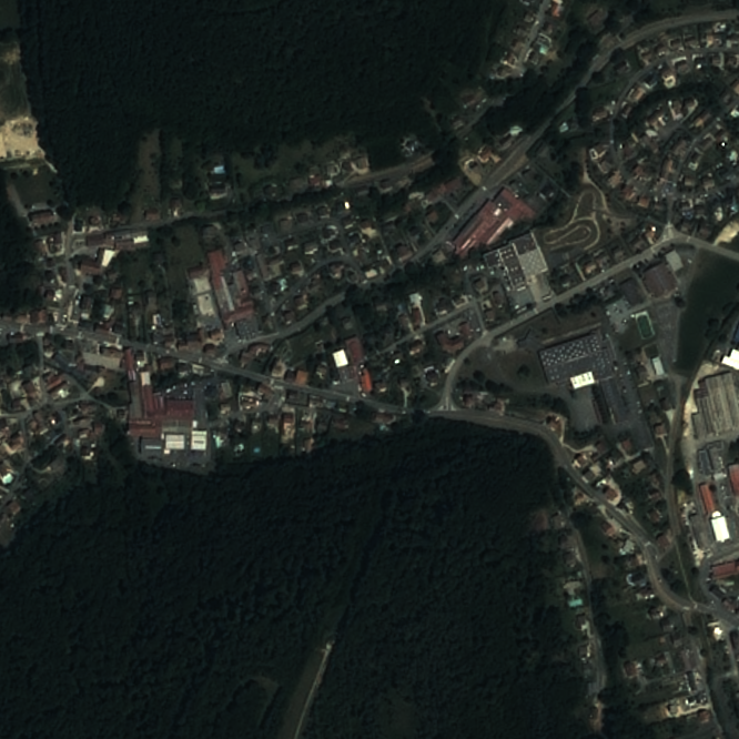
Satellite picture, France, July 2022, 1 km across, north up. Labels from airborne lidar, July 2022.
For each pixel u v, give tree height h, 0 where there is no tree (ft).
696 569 29
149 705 29
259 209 57
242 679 51
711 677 33
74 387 0
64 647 67
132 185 29
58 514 42
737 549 0
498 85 64
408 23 69
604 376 0
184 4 50
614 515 0
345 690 46
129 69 47
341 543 85
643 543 0
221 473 27
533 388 0
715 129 0
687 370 0
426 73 75
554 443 0
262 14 53
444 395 0
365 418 47
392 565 66
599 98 19
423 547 73
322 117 60
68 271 0
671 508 0
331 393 0
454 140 51
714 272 0
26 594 77
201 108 62
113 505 82
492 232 0
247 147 69
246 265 22
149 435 0
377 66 55
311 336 0
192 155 22
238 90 62
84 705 75
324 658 0
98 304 36
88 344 0
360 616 56
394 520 69
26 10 34
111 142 54
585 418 0
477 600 34
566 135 0
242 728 58
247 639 70
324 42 54
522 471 78
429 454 44
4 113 0
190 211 0
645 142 0
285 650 43
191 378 22
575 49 34
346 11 52
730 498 0
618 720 112
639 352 20
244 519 38
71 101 72
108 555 79
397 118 70
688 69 0
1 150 0
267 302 0
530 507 86
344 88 66
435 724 69
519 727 24
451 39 67
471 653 32
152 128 61
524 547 72
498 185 0
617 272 0
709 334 26
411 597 63
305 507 45
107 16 51
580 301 28
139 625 20
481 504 80
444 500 20
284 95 56
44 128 67
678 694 0
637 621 0
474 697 32
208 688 73
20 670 68
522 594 77
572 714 70
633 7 58
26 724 94
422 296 0
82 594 54
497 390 62
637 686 25
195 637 66
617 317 0
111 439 28
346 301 28
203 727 70
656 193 0
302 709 0
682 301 47
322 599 49
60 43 67
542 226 23
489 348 0
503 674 38
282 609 41
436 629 61
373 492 24
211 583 94
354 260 0
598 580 23
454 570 61
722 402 0
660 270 0
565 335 0
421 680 61
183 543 94
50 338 23
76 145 61
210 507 52
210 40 49
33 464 23
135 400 0
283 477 76
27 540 67
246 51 48
